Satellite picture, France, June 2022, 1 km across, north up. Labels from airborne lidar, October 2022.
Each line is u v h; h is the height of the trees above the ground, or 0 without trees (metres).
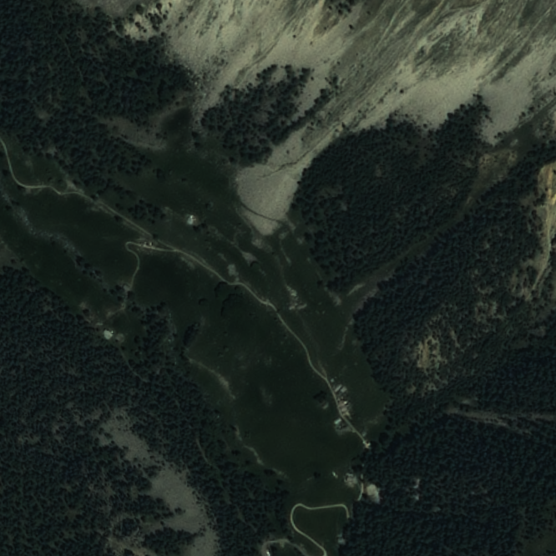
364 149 7
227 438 0
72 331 31
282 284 0
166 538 33
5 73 12
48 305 18
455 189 8
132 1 0
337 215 15
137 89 23
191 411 21
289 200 0
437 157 9
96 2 0
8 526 24
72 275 0
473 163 7
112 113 18
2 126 21
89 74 31
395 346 13
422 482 8
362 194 12
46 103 18
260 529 13
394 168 9
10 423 20
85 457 19
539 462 18
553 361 15
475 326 23
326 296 0
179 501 0
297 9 0
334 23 0
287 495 17
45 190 0
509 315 20
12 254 0
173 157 0
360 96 0
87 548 23
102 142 23
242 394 0
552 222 0
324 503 0
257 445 0
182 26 0
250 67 0
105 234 0
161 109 8
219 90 0
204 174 0
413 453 15
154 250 0
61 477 20
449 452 7
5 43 12
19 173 0
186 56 0
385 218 16
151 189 0
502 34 0
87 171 16
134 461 8
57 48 23
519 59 0
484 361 10
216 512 18
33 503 27
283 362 0
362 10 0
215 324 0
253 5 0
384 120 0
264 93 18
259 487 24
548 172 0
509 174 8
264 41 0
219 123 6
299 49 0
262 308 0
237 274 0
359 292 0
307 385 0
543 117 0
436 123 0
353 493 0
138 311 22
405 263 8
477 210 8
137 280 0
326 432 0
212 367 0
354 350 0
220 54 0
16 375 6
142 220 13
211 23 0
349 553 31
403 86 0
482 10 0
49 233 0
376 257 17
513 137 0
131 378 30
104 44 25
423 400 10
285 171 0
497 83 0
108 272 0
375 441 0
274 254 8
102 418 14
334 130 0
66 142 31
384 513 31
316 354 0
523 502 19
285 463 0
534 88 0
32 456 15
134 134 0
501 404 19
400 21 0
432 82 0
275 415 0
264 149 8
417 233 21
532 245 17
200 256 0
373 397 0
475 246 13
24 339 19
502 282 20
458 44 0
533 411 10
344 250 14
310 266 0
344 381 0
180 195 0
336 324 0
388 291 18
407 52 0
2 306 18
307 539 0
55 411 18
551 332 14
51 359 21
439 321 10
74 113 27
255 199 0
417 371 15
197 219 0
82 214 0
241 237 0
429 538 28
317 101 11
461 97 0
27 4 16
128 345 0
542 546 0
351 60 0
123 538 9
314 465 0
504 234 15
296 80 14
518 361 15
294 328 0
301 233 0
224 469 32
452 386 12
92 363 25
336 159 13
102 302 0
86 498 16
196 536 14
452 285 18
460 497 15
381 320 14
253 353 0
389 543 28
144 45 23
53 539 24
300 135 0
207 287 0
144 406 17
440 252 25
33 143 15
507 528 23
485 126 0
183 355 10
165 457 12
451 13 0
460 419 16
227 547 16
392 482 22
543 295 16
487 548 23
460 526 27
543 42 0
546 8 0
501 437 27
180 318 0
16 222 0
